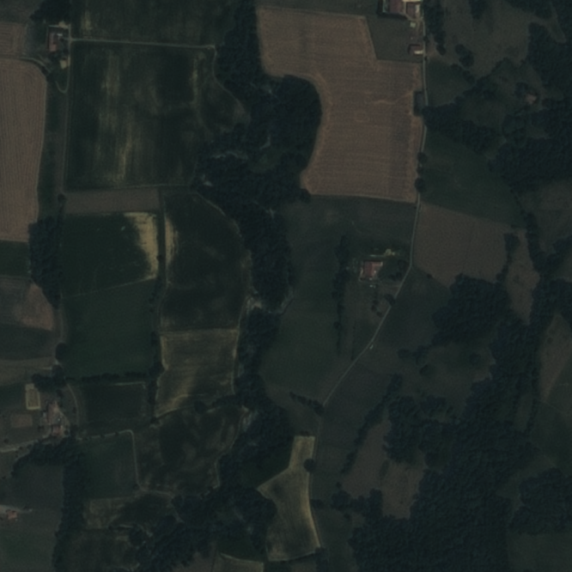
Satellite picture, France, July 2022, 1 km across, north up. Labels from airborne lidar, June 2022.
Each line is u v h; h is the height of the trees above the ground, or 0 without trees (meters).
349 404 0
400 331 0
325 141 0
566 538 0
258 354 11
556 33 0
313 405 10
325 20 0
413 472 0
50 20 18
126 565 0
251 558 0
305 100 28
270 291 22
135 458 0
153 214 0
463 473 24
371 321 0
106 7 0
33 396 0
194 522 31
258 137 22
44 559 0
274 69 0
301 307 0
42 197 0
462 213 0
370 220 0
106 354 0
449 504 27
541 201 0
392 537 27
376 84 0
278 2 0
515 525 20
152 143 0
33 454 15
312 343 0
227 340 0
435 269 0
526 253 0
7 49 0
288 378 0
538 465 0
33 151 0
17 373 0
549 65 21
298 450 0
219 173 21
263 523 24
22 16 0
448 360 0
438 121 26
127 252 0
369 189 0
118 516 0
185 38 0
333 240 0
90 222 0
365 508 18
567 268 0
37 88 0
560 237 0
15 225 0
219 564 0
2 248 0
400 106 0
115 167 0
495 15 0
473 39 0
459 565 23
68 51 8
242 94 17
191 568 0
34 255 21
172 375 0
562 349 0
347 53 0
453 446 0
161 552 14
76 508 20
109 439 0
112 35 0
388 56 0
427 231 0
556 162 26
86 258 0
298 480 0
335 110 0
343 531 0
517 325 20
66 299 0
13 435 0
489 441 26
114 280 0
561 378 0
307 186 0
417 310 0
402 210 0
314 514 0
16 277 0
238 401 19
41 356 0
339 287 19
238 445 8
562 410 0
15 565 0
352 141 0
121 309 0
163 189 0
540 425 0
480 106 0
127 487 0
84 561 0
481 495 13
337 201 0
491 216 0
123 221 0
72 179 0
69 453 14
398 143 0
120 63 0
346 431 0
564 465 0
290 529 0
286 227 12
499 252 0
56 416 0
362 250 0
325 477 0
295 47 0
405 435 23
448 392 0
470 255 0
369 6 0
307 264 0
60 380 16
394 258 0
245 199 30
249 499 25
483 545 25
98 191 0
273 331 24
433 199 0
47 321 0
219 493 10
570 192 0
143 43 0
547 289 20
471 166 0
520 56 0
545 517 17
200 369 0
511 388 18
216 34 0
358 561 22
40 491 0
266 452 13
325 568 31
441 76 0
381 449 0
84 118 0
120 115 0
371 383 0
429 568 23
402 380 15
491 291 23
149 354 0
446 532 27
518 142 16
